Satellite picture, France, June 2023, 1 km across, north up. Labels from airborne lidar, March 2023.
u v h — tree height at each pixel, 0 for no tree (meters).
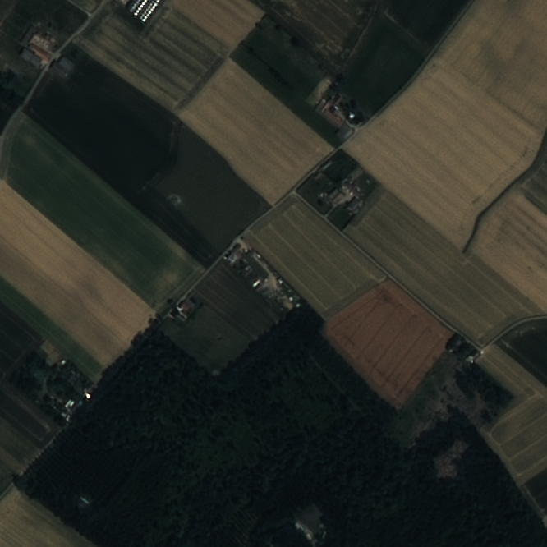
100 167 0
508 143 0
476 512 28
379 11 0
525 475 0
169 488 11
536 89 0
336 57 0
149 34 0
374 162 0
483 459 18
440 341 0
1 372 0
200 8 0
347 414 24
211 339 0
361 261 0
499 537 24
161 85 0
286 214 0
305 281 0
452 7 0
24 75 0
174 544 25
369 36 0
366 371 0
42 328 0
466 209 0
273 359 19
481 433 23
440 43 0
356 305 0
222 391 26
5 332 0
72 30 0
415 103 0
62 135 0
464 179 0
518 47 0
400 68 0
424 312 0
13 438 0
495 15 0
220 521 20
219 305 0
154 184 0
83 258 0
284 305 0
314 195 0
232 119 0
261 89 0
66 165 0
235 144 0
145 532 13
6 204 0
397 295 0
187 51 0
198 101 0
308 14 0
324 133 0
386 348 0
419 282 0
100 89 0
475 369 20
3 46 0
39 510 0
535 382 0
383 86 0
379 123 0
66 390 10
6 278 0
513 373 0
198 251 0
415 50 0
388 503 25
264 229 0
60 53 0
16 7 0
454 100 0
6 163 0
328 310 0
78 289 0
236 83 0
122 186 0
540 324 0
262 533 21
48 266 0
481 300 0
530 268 0
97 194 0
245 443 0
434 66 0
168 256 0
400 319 0
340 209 0
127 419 24
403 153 0
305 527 0
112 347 0
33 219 0
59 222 0
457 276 0
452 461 25
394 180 0
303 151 0
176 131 0
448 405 29
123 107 0
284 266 0
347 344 0
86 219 0
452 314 0
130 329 0
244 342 0
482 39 0
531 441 0
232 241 0
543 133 0
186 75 0
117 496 29
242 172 0
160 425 26
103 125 0
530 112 0
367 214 0
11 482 0
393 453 10
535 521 23
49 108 0
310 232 0
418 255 0
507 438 0
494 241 0
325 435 8
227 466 8
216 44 0
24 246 0
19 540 0
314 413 0
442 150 0
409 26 0
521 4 0
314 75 0
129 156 0
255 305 0
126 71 0
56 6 0
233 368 18
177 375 25
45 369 16
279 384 26
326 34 0
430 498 21
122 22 0
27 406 0
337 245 0
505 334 0
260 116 0
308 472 29
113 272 0
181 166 0
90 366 0
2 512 0
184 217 0
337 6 0
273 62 0
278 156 0
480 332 0
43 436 0
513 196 0
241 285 0
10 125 0
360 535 28
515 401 0
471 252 0
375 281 0
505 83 0
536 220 0
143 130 0
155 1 0
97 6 0
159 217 0
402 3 0
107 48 0
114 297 0
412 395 20
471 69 0
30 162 0
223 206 0
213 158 0
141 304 0
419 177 0
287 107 0
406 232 0
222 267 0
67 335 0
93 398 15
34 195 0
